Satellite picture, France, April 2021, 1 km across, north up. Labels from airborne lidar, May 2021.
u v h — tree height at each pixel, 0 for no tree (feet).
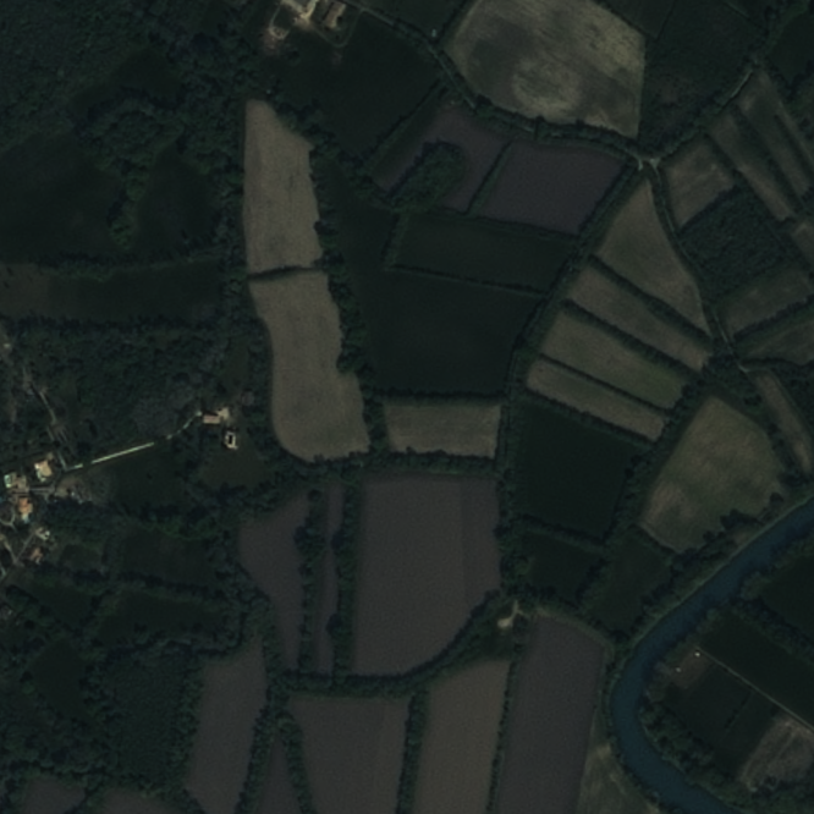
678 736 50
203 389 66
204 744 0
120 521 73
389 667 0
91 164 0
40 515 49
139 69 0
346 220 0
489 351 0
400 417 0
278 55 0
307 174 0
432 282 0
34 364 21
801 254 31
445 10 0
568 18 0
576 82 0
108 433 42
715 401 0
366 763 0
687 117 21
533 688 0
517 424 41
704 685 0
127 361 50
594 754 0
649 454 21
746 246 58
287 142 0
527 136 18
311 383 0
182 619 0
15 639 0
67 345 60
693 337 36
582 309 40
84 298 0
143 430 59
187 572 0
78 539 45
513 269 0
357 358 56
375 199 35
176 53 70
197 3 28
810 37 0
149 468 0
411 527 0
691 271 30
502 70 0
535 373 0
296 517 0
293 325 0
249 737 0
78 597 0
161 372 46
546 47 0
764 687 0
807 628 0
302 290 0
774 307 0
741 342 46
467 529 0
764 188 0
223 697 0
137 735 54
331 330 0
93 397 79
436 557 0
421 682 47
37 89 59
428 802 0
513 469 35
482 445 0
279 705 51
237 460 0
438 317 0
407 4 0
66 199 0
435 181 49
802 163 21
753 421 0
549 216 0
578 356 0
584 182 0
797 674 0
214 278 0
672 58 19
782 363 26
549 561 0
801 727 0
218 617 0
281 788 0
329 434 0
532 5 0
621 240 0
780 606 0
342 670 55
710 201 0
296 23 0
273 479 0
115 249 0
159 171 0
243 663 0
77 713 0
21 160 0
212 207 0
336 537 0
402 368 0
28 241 0
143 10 61
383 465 33
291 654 0
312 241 0
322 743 0
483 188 23
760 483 0
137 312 0
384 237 0
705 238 50
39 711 25
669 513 0
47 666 0
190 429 25
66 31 59
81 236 0
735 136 0
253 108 0
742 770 0
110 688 53
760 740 0
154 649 57
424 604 0
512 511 27
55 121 60
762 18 0
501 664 0
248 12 43
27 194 0
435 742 0
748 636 0
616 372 0
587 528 0
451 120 0
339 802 0
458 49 0
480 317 0
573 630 0
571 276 57
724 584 0
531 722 0
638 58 0
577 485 0
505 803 0
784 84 58
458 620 0
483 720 0
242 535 0
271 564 0
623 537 34
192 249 63
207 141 87
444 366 0
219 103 76
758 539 0
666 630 0
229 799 0
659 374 0
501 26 0
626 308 0
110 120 69
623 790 0
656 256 0
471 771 0
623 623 0
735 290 56
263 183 0
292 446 0
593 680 0
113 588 43
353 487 32
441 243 0
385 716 0
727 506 0
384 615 0
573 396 0
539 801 0
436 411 0
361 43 0
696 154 0
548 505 0
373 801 0
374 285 0
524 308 0
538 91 0
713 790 48
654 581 0
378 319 0
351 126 0
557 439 0
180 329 49
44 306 0
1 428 49
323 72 0
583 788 0
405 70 0
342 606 33
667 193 30
